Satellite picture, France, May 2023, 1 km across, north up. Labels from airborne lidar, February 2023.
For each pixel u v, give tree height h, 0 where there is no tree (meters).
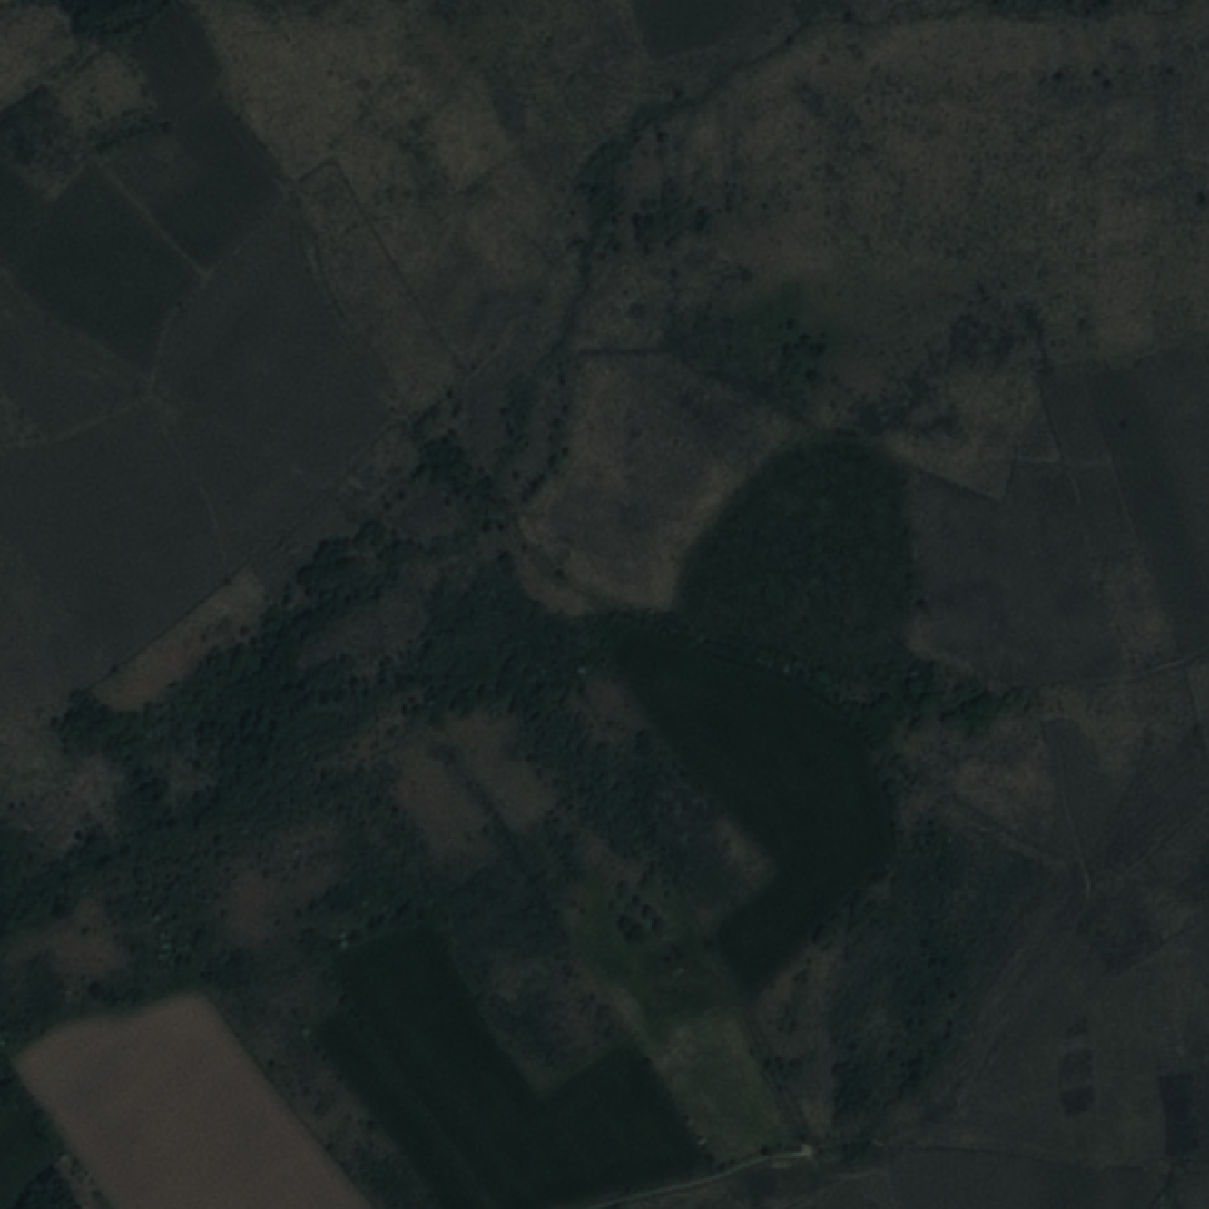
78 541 0
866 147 0
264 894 0
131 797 7
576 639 13
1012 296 0
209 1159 0
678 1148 0
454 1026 0
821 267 0
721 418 0
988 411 0
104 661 0
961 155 0
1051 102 0
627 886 7
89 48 0
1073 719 0
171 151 0
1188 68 0
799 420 0
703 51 0
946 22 0
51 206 0
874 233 0
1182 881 0
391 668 6
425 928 0
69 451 0
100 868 12
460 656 6
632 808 6
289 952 0
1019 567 0
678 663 0
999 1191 0
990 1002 0
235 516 0
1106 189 0
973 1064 0
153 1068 0
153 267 0
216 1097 0
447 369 0
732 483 0
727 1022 0
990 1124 0
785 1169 0
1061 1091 0
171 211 0
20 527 0
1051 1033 0
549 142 0
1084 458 0
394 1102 0
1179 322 0
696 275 0
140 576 0
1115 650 0
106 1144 0
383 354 0
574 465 0
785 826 0
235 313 0
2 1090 12
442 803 0
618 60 0
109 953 0
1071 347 0
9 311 0
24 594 0
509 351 0
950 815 0
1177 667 0
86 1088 0
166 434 0
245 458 0
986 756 0
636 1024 0
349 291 0
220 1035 0
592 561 0
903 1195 0
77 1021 0
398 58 0
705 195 0
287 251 0
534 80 0
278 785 7
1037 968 0
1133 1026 0
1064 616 0
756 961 0
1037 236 0
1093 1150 0
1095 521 0
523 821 0
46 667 0
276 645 13
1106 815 0
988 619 0
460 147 0
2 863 6
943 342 0
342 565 8
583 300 0
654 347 0
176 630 0
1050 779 0
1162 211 0
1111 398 0
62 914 8
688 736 0
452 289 0
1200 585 0
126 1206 0
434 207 0
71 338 0
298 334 0
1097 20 0
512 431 7
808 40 0
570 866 8
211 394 0
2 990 0
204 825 10
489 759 0
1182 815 0
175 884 6
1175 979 0
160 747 6
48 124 0
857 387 0
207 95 0
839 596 0
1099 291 0
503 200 0
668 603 0
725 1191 0
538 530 0
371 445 0
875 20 0
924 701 10
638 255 0
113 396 0
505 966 0
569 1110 0
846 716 10
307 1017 0
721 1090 0
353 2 0
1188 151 0
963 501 0
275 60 0
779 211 0
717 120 0
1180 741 0
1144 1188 0
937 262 0
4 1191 0
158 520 0
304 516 0
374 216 0
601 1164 0
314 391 0
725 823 0
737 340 0
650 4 0
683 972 0
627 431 0
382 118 0
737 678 0
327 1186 0
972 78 0
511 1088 0
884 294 0
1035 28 0
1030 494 0
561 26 0
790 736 0
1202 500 0
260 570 0
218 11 0
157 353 0
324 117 0
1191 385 0
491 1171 0
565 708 6
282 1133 0
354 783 6
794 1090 0
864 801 0
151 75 0
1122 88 0
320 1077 0
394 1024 0
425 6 0
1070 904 0
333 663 7
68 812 0
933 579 0
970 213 0
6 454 0
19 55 0
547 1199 0
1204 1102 0
